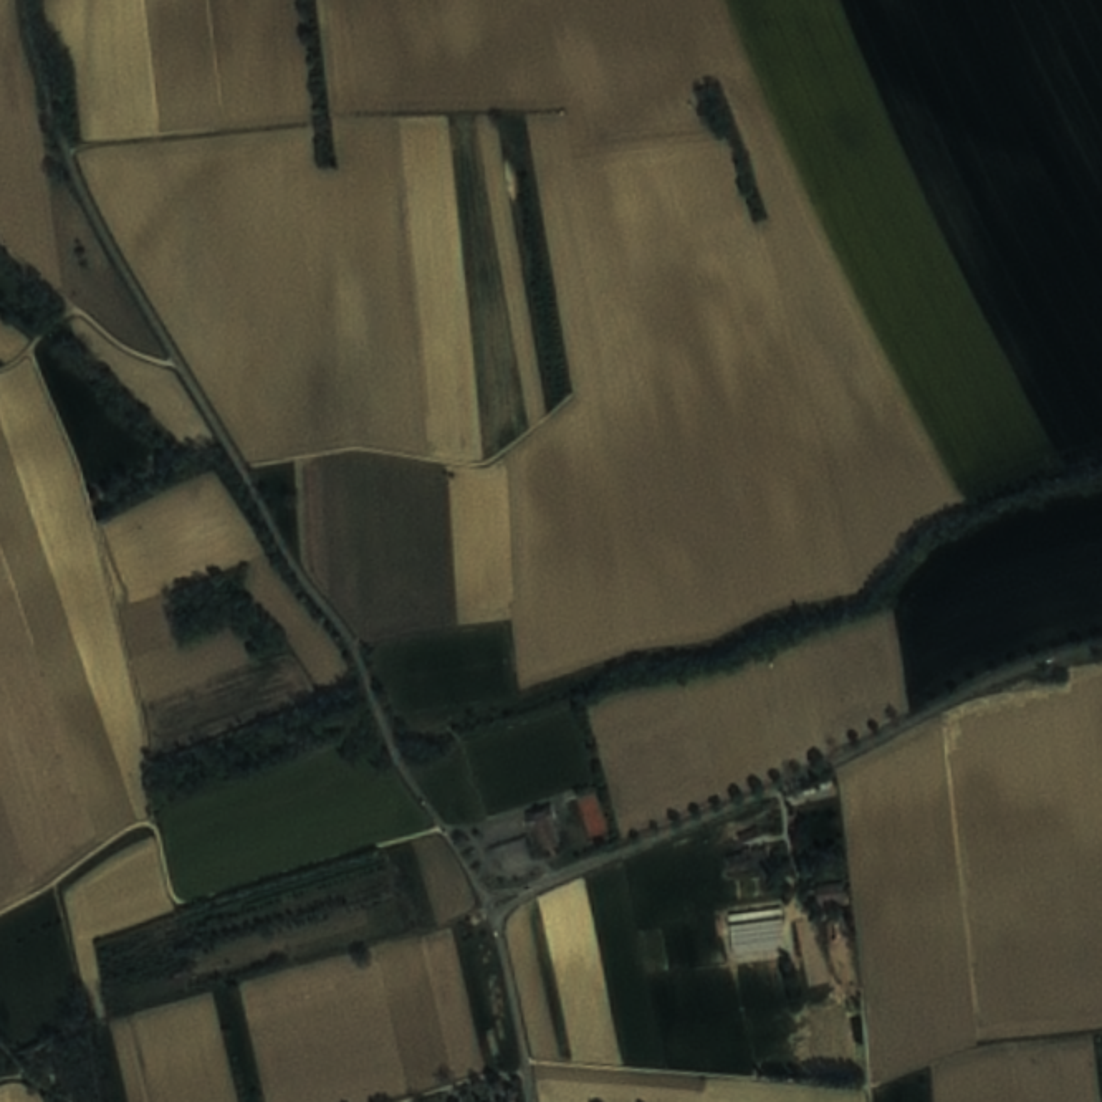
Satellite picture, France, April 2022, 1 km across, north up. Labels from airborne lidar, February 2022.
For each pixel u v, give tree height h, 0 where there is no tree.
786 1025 0
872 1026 0
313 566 0
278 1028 0
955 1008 0
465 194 0
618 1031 0
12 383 0
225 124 0
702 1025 0
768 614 0
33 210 0
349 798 0
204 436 0
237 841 0
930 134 0
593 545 0
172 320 0
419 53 0
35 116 0
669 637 0
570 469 0
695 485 0
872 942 0
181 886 0
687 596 0
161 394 0
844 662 0
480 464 0
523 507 0
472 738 0
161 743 0
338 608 0
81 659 0
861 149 0
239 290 0
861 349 0
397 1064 0
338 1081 0
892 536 0
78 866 0
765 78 0
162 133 0
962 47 0
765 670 0
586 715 15
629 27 0
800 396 0
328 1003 0
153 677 0
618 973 0
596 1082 0
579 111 0
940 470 0
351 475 0
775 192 0
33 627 0
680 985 0
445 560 0
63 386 0
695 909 0
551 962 0
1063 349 0
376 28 0
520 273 0
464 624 0
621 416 0
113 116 0
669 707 0
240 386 0
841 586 0
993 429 0
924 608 0
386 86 0
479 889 0
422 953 0
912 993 0
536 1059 0
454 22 0
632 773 0
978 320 0
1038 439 0
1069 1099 0
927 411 0
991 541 0
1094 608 0
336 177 0
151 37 0
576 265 0
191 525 0
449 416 0
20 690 0
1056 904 0
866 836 0
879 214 0
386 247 0
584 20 0
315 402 0
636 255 0
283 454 0
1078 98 0
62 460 0
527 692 0
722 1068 0
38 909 0
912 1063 0
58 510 0
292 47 0
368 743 30
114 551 0
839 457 0
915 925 0
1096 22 0
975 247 0
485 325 0
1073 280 0
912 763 0
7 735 0
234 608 22
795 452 0
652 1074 0
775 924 0
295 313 0
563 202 0
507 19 0
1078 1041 0
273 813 0
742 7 0
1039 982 0
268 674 0
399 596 0
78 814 0
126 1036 0
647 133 0
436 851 0
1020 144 0
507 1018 0
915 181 0
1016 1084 0
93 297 0
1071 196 0
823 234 0
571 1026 0
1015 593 0
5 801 0
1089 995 0
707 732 0
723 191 0
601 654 0
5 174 0
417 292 0
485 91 0
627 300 0
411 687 0
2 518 0
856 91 0
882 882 0
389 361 0
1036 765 0
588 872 0
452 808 0
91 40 0
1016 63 0
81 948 0
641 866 0
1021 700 0
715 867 0
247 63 0
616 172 0
